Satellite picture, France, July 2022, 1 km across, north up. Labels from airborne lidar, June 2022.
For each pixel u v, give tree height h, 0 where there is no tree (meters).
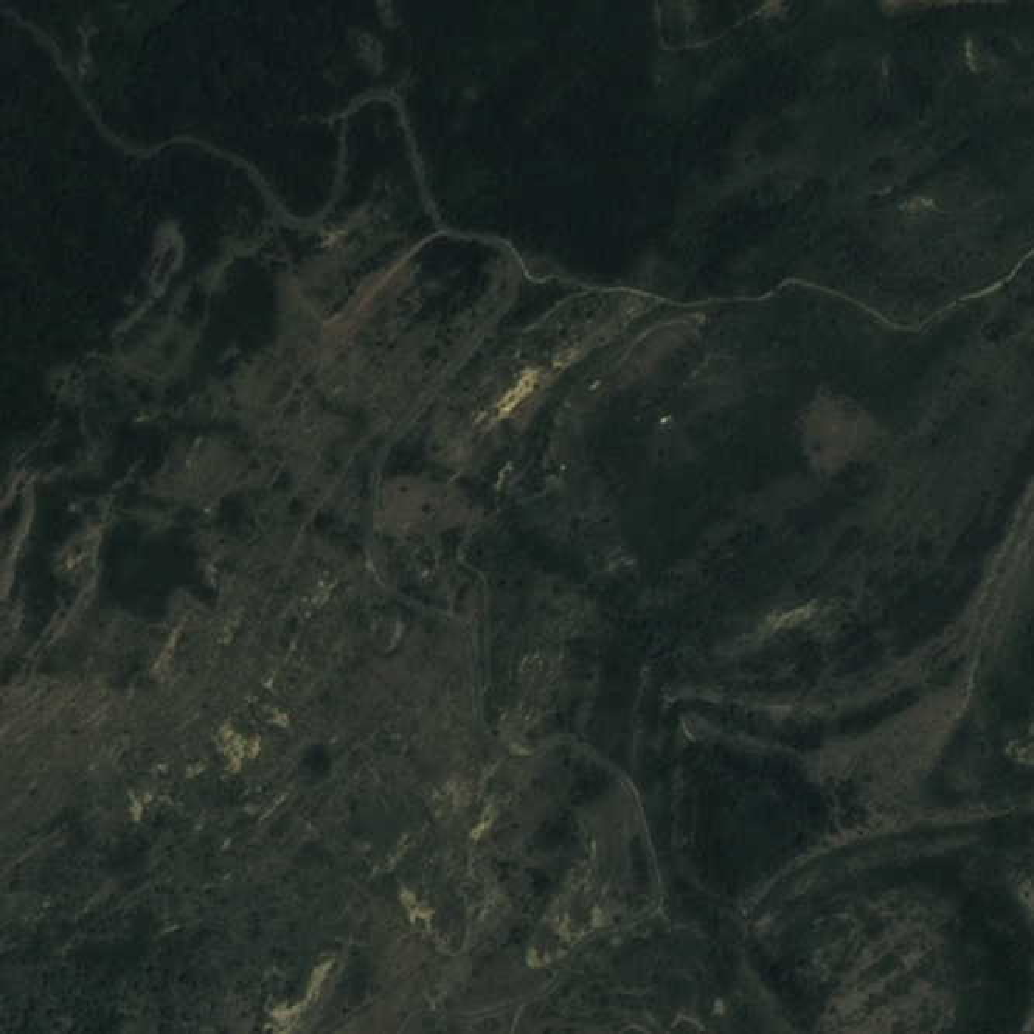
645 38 7
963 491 0
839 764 0
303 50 6
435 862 0
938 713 0
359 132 10
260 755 0
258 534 0
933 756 0
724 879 7
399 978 0
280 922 0
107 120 14
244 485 0
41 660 0
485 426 0
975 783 0
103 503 0
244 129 6
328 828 0
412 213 8
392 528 0
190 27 11
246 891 0
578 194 8
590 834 0
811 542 0
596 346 0
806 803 6
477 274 8
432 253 5
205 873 6
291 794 0
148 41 11
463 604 0
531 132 10
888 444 0
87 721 0
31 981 9
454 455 0
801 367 6
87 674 0
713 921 7
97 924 6
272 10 9
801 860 0
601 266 6
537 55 10
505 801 0
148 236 8
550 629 0
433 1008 0
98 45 12
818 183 8
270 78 7
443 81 7
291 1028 0
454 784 0
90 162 8
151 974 15
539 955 0
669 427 0
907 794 0
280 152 9
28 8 9
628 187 8
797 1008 7
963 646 0
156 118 7
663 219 7
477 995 0
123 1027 13
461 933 0
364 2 7
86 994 13
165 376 0
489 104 8
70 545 0
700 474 7
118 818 0
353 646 0
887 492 0
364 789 0
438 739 0
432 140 8
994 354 0
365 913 0
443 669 0
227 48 8
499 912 0
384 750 0
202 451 0
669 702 7
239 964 9
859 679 0
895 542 0
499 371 0
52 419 7
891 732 0
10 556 0
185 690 0
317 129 9
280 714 0
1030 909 0
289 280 0
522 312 8
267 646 0
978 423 0
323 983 0
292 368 0
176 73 10
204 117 10
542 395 0
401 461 7
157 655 0
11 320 7
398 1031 0
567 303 0
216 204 7
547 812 0
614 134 8
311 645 0
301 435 0
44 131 9
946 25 7
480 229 6
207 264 5
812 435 0
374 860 0
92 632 0
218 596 0
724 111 8
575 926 0
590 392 0
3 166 7
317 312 0
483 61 6
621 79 7
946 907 0
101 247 11
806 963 11
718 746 7
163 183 7
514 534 7
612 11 9
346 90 6
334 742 0
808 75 7
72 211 9
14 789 0
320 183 7
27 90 10
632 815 0
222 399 0
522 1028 0
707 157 6
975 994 9
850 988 0
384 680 0
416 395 0
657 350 0
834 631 0
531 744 0
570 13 8
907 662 0
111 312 8
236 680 0
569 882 0
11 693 0
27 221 9
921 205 0
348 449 0
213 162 10
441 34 8
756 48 8
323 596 0
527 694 0
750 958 5
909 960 0
